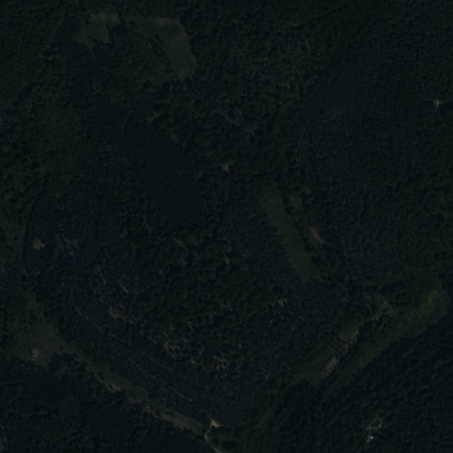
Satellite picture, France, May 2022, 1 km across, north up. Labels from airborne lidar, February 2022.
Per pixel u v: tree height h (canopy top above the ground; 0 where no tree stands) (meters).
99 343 18
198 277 30
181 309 31
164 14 21
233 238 26
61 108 27
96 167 27
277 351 22
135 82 25
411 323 0
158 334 16
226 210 27
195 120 17
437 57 29
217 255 32
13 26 25
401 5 28
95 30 0
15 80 24
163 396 21
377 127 27
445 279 14
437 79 25
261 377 21
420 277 0
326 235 15
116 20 0
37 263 22
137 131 17
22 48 26
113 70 23
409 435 18
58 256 0
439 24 29
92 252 19
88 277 17
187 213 17
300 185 14
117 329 19
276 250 28
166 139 17
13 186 40
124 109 12
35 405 14
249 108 17
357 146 30
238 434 20
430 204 35
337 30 21
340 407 24
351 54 27
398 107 26
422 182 31
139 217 26
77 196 25
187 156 18
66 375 12
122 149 25
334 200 35
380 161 29
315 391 14
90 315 21
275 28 19
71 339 30
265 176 23
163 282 30
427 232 31
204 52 21
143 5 28
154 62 29
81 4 27
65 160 28
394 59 26
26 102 26
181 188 17
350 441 26
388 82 28
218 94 29
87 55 10
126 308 18
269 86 26
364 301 22
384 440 16
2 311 20
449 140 30
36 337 0
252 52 17
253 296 30
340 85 22
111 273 23
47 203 15
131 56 26
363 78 31
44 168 29
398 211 27
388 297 28
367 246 28
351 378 0
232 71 14
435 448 31
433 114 22
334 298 20
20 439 13
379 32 26
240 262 31
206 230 19
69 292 23
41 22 27
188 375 16
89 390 10
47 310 11
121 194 22
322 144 28
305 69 24
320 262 30
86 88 13
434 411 30
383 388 25
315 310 19
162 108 17
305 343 24
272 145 18
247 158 31
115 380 0
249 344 22
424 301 0
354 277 26
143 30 0
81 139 26
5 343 31
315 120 28
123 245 18
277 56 20
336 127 26
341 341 12
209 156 18
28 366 19
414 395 27
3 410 25
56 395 17
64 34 14
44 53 17
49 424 35
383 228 31
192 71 0
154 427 12
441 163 28
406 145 27
